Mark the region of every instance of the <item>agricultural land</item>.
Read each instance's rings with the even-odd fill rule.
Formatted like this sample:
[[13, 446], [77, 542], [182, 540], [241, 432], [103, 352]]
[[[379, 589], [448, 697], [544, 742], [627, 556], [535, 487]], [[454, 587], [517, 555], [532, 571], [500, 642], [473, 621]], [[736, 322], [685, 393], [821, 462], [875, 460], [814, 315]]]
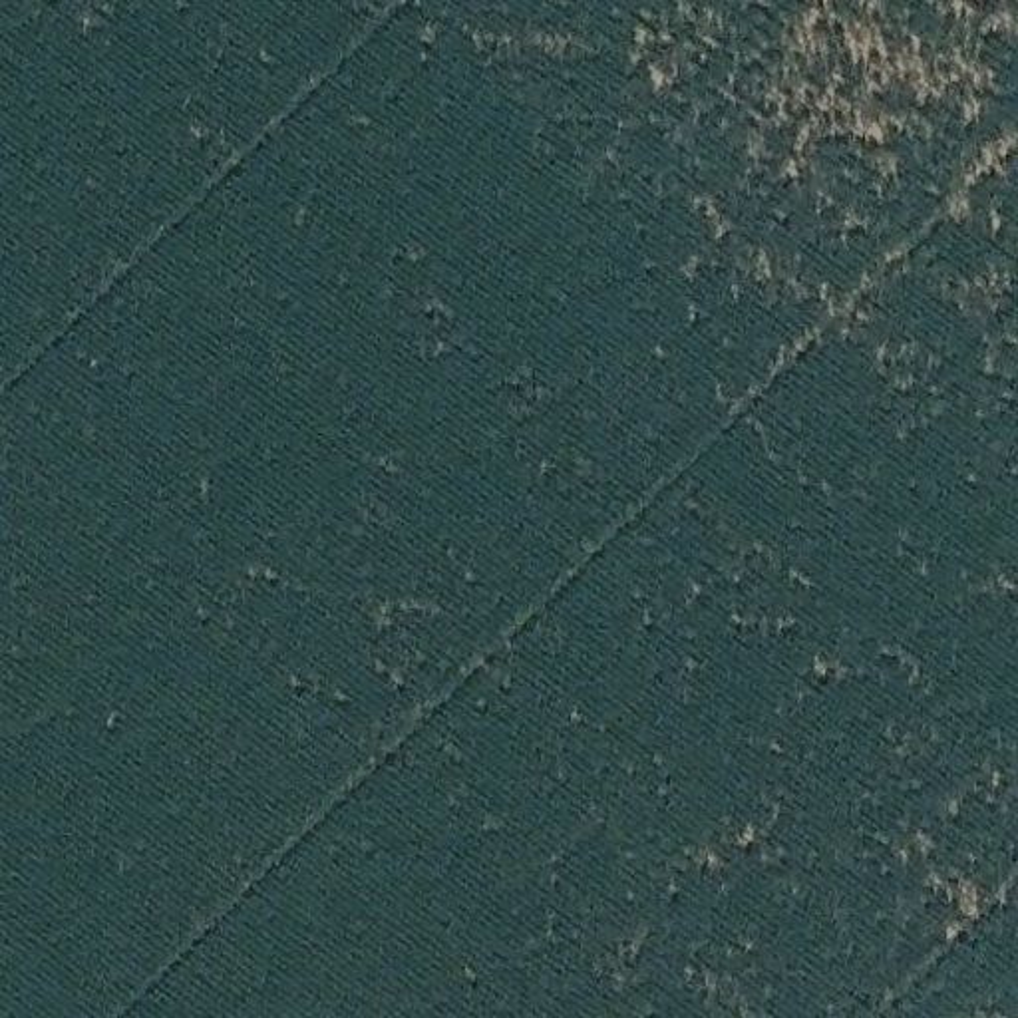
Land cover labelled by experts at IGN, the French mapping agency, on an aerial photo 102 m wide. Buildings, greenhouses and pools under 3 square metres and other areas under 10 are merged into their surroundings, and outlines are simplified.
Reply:
[[1018, 0], [0, 0], [0, 1018], [1018, 1018]]

